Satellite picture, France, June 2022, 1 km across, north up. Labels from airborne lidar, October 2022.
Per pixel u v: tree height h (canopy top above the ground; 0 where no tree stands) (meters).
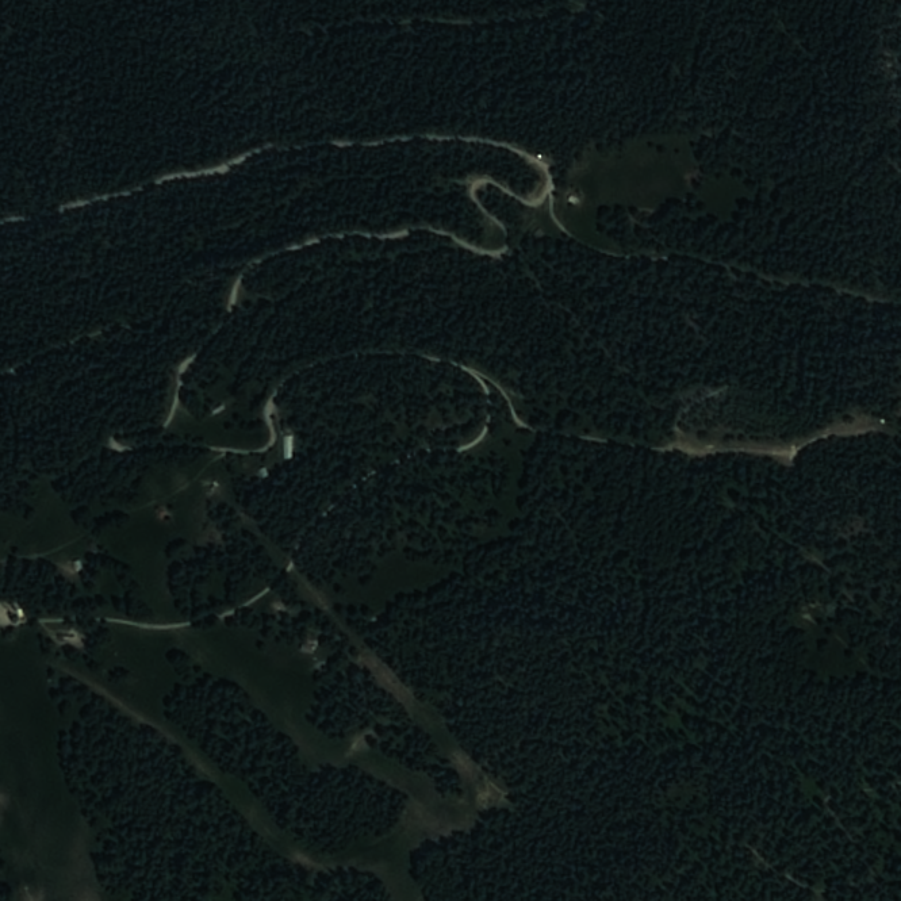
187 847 25
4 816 0
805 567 7
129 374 18
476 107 17
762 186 17
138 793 28
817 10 23
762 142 19
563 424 21
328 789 26
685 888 22
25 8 11
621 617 27
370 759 0
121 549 0
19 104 23
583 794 27
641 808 21
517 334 20
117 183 10
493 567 24
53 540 0
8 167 22
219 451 0
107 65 22
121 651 0
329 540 19
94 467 21
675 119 21
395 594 0
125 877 19
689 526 22
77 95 22
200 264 20
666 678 19
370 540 16
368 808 21
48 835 0
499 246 0
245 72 19
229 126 18
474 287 21
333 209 13
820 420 21
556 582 31
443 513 20
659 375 13
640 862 20
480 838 22
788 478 17
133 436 18
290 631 17
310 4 18
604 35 18
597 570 26
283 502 26
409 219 25
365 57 20
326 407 11
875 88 20
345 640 16
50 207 9
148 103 15
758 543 37
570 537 29
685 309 28
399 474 26
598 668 26
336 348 22
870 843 12
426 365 19
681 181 0
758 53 25
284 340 23
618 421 22
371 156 12
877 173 23
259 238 11
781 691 21
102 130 27
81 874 0
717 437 0
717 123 25
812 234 24
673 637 13
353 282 24
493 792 0
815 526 15
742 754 28
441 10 12
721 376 20
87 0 20
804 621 0
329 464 30
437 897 27
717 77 26
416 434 16
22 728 0
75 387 23
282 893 32
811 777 34
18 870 0
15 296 23
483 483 15
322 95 19
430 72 15
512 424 14
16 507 26
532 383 23
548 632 16
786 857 32
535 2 14
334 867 0
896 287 23
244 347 19
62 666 0
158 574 0
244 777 16
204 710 24
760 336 23
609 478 21
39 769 0
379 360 14
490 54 17
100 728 27
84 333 7
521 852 23
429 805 0
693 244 21
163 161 14
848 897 26
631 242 32
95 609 21
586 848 15
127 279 15
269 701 0
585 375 25
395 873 0
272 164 23
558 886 14
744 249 17
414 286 18
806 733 28
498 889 24
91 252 22
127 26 18
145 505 0
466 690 13
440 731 0
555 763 25
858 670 0
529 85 20
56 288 21
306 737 0
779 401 13
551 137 16
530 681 17
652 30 23
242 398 22
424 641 8
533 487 19
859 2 24
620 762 29
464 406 21
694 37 22
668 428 11
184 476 0
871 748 27
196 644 0
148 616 24
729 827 12
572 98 16
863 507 11
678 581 30
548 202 0
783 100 26
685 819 11
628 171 0
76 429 25
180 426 0
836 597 22
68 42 24
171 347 20
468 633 7
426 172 17
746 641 29
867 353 22
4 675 0
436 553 16
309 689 0
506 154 11
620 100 14
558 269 25
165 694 0
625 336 21
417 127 13
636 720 25
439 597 20
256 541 20
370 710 16
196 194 20
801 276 8
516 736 20
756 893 27
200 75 19
